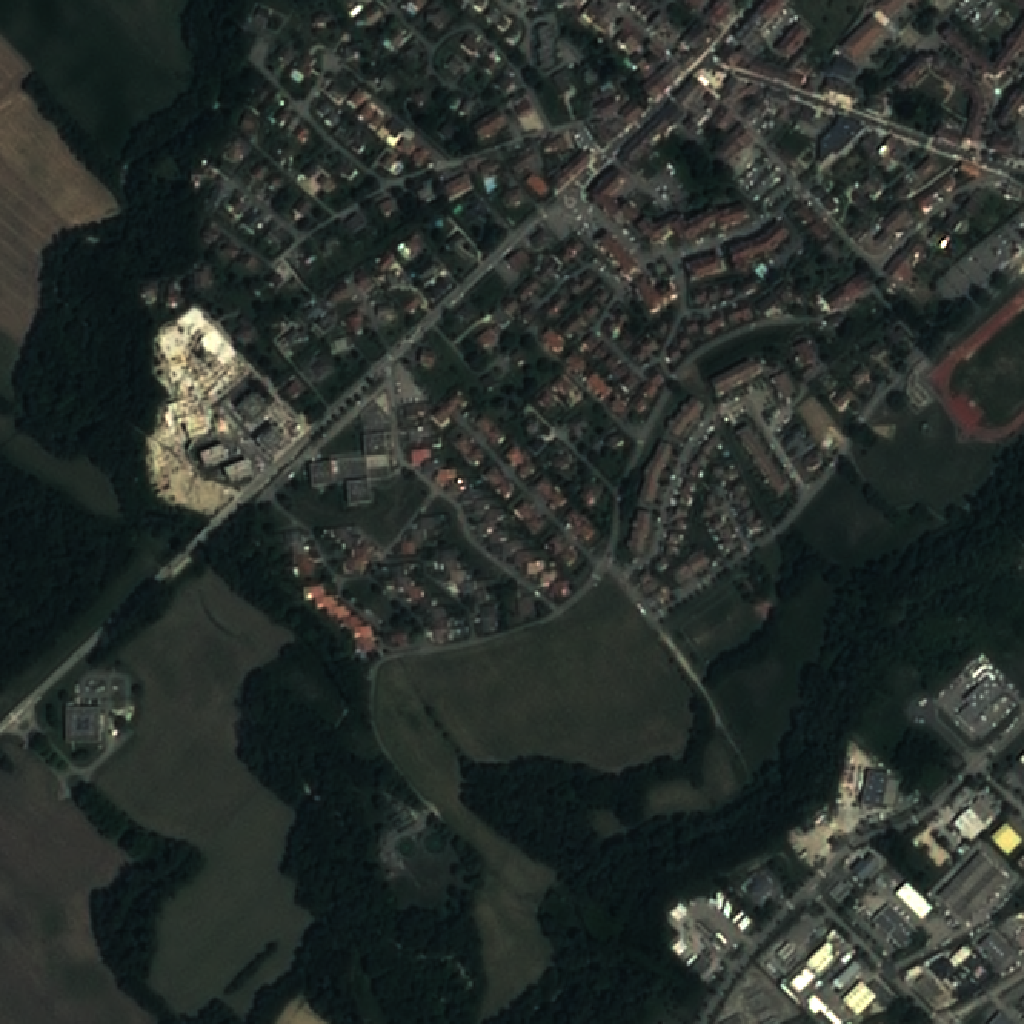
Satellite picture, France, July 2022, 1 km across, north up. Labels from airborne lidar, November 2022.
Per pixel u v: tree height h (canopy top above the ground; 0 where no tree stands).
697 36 0
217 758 0
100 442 24
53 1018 0
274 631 0
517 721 0
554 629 0
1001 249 0
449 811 0
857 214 12
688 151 19
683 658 0
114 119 0
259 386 16
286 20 0
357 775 21
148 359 12
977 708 0
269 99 6
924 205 0
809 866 0
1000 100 0
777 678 0
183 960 0
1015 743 0
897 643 12
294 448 0
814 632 0
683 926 0
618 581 0
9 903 0
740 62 0
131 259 24
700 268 0
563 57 0
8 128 0
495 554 9
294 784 25
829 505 0
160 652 0
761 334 0
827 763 16
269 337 7
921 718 0
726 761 0
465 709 0
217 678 0
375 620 0
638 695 0
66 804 0
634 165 0
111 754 0
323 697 0
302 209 0
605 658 0
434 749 0
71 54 0
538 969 0
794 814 18
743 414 0
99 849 0
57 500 15
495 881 0
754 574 7
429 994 18
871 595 18
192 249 23
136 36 0
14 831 0
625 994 21
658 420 0
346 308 0
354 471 0
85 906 0
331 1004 18
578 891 21
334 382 0
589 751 0
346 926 15
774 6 0
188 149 24
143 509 49
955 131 0
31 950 0
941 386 0
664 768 17
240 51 21
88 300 20
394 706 0
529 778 25
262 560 8
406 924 23
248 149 0
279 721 17
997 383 0
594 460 11
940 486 0
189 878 19
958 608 11
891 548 0
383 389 0
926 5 6
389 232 7
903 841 14
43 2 0
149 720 0
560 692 0
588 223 0
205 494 0
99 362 13
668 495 0
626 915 20
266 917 0
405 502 0
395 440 0
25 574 26
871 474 0
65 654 0
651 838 7
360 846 20
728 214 0
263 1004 18
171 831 0
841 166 7
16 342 0
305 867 14
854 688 17
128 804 0
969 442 0
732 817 20
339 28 12
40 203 0
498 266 0
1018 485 21
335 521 0
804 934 0
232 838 0
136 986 22
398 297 0
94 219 0
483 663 0
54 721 12
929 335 15
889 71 8
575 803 9
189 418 0
